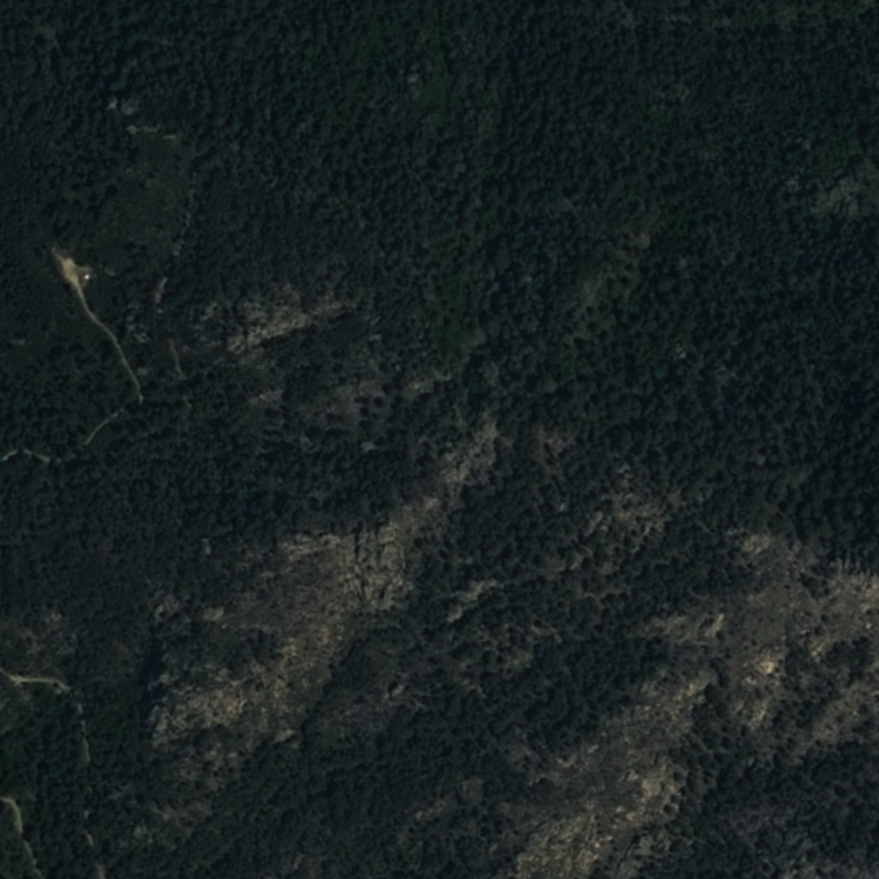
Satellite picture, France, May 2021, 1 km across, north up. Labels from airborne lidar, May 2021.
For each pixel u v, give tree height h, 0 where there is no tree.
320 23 29
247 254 20
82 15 30
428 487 17
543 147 21
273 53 7
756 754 14
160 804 10
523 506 27
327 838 17
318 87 21
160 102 9
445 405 18
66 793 21
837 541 14
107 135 19
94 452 20
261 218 12
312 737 22
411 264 24
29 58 26
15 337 6
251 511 25
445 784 12
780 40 32
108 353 10
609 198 23
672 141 19
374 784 13
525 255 15
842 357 23
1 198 21
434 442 11
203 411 10
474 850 15
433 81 8
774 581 20
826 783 27
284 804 24
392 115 8
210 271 18
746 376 41
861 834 27
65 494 27
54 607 18
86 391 32
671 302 36
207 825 15
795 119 10
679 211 16
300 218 19
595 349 24
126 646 24
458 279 16
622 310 18
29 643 12
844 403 12
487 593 8
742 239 16
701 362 33
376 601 16
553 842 13
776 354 36
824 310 13
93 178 30
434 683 17
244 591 9
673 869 25
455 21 10
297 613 18
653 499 13
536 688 26
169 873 26
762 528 14
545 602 18
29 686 17
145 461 23
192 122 9
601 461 19
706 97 15
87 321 11
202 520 22
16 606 13
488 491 31
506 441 23
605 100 22
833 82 8
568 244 27
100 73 24
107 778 13
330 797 19
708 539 22
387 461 23
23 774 18
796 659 22
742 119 18
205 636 21
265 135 29
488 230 19
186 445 10
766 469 29
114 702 8
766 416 32
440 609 26
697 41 28
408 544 0
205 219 18
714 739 29
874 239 26
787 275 28
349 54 29
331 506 20
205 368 14
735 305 6
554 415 24
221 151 19
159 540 22
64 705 9
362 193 39
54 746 25
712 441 27
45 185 25
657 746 15
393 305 15
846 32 26
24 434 14
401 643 19
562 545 16
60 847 30
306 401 23
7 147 16
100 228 31
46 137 17
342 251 21
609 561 21
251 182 20
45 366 23
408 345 17
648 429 36
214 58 20
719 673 22
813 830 16
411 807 19
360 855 14
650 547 18
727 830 18
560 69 25
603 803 16
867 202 17
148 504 25
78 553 18
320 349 25
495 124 7
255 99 25
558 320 8
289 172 17
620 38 16
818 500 27
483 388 13
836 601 16
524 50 29
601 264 10
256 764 20
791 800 23
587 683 20
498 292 15
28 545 17
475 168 22
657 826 16
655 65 9
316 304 16
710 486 21
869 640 19
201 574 16
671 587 21
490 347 11
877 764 27
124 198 28
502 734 20
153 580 17
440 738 20
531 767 13
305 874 13
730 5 19
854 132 11
